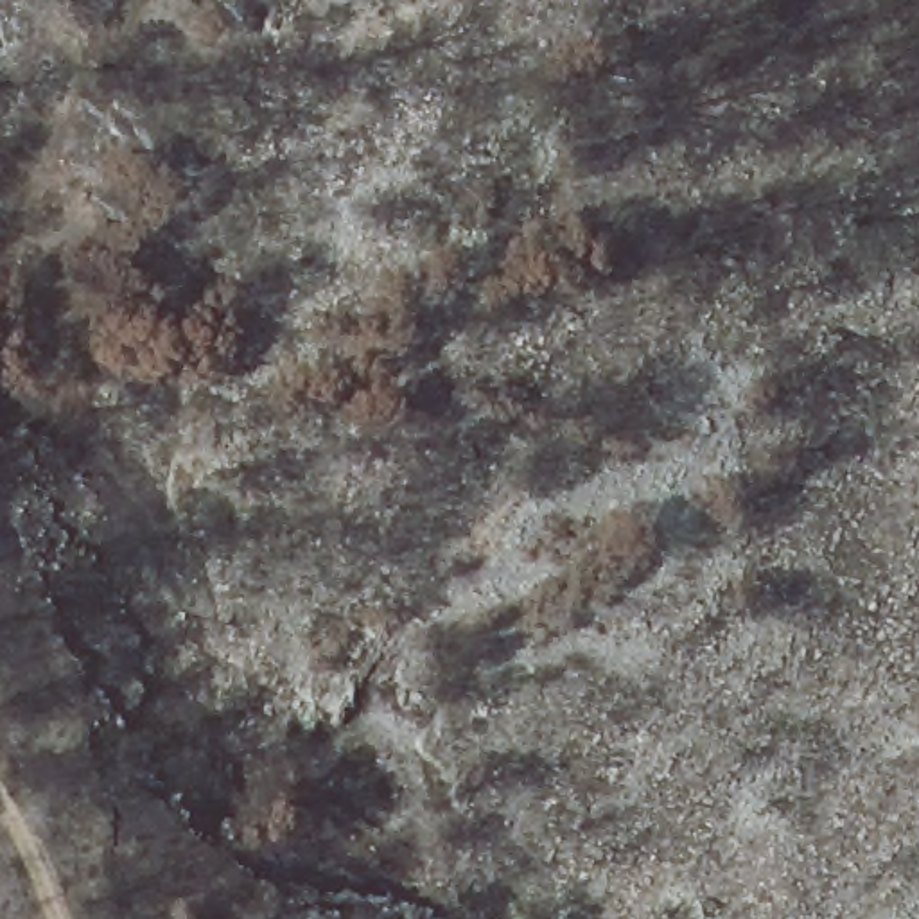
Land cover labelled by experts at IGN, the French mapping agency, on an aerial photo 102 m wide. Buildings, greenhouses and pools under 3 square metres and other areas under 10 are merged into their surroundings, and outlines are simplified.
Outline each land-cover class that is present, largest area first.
<instances>
[{"label":"bare soil","instance_id":"1","mask_svg":"<svg viewBox=\"0 0 919 919\"><path fill-rule=\"evenodd\" d=\"M499 176H510L513 187H538L553 179L560 187L549 201L556 230L582 223L585 233H600L607 248V266L617 273V287L603 298L589 291L585 302L571 312H553L546 323L521 327L513 337L495 334L488 323L452 334L438 359H406V370L398 373V384L406 388V409H398V424L388 434L359 431V438H348L337 434V427H323L319 416L294 420L291 395L312 377L309 363H316L319 352L337 355L348 337L377 330V305L402 291V284L438 280L445 287V266L456 258V251L488 244L485 226L492 208V183ZM162 223L172 226V251L201 255L205 248H219L223 258L215 262V273L223 276L244 280L251 269L276 266L280 258L287 262L291 276L287 323L276 327V341L255 373L233 377L230 384H212L197 381L187 370L179 377V402L129 409H118L115 402L97 406L101 427H25L0 416V772L7 779L11 797L25 811L32 833L50 851L54 880L68 908L65 919H919V0H0V276H11L18 284L25 276V266H39L61 244H79L90 233L97 241L108 237L118 251H136L140 241L154 233ZM646 499L661 503V513L657 524L635 528V542L646 553L635 560L628 578H617L610 592L614 607L592 603V625L556 639L546 650H528L524 632L506 635V628L521 621L517 600L546 578H556L553 560L524 556V549L546 528L542 517H603L610 510H632V503ZM0 919H47L39 912L29 865L0 818Z\"/></svg>","mask_w":919,"mask_h":919},{"label":"coniferous trees","instance_id":"2","mask_svg":"<svg viewBox=\"0 0 919 919\"><path fill-rule=\"evenodd\" d=\"M560 187L553 179L538 187H513L510 176H499L492 183V208L485 226L488 244L456 251V258L445 266V287L438 280L402 284V291L377 305V330L348 337L337 355L319 352L316 363H309L312 377L291 395L294 420L319 416L323 427H337V434L348 438H359V431L388 434L398 424V409H406V388L398 384V373L406 370V359H438L452 334L488 323L495 334L513 337L521 327L546 323L553 312H571L585 302L589 291L603 298L617 287V273L607 266V248L600 233H585L582 223L556 230L549 201ZM223 258L219 248H205L201 255L172 251V226L162 223L154 233L140 241L136 251H118L108 237L97 241L90 233L79 244H61L39 266H25V276L18 284L11 276H0V416L25 427H101L97 406L115 402L118 409H129L179 402V377L187 370L197 381L212 384H230L233 377L255 373L276 341V327L287 323L291 276L287 262L280 258L276 266L251 269L244 280L223 276L215 273V262ZM661 513V503L646 499L632 503V510H610L603 517H542L546 528L524 549V556L553 560L556 578H546L517 600L521 621L506 628V635L524 632L528 650H546L556 639L592 625V603L614 607L610 592L617 578H628L635 560L646 553L635 542V528L657 524Z\"/></svg>","mask_w":919,"mask_h":919},{"label":"pervious surface","instance_id":"3","mask_svg":"<svg viewBox=\"0 0 919 919\"><path fill-rule=\"evenodd\" d=\"M0 818L29 865L39 912L47 919H65L68 908L54 880L50 851L32 833L25 811L11 797L7 779L0 772Z\"/></svg>","mask_w":919,"mask_h":919}]
</instances>
